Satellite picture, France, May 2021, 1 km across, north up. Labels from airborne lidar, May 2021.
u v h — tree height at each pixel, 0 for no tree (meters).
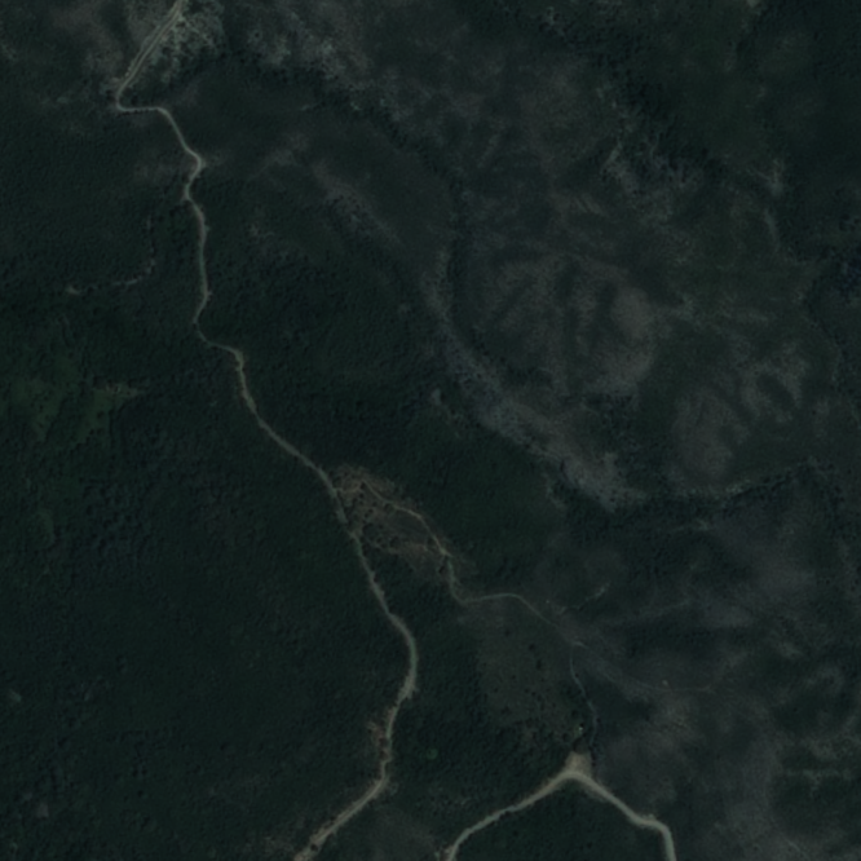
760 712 0
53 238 9
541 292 0
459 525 6
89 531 7
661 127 9
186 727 8
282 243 8
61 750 6
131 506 13
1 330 10
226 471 11
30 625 12
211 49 20
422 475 8
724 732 0
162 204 14
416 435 6
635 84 15
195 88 0
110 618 6
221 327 18
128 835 8
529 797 7
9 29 9
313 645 6
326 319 18
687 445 0
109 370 8
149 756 12
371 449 15
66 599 10
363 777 14
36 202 7
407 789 6
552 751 8
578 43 14
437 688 7
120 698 7
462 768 12
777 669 7
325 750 7
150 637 6
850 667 7
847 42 9
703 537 6
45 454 9
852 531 7
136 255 7
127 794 6
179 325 6
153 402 8
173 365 11
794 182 8
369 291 8
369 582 15
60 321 6
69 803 12
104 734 6
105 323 9
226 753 14
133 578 15
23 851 7
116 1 0
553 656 0
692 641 10
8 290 10
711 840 0
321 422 13
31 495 8
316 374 10
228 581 8
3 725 9
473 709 18
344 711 7
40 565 8
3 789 10
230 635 8
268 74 9
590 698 10
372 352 8
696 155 15
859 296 16
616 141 9
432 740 13
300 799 6
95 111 6
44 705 5
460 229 11
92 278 6
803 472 15
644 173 10
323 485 8
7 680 11
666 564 13
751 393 0
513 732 9
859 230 22
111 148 9
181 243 7
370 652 9
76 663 9
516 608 0
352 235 14
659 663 0
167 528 8
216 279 18
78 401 8
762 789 0
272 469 10
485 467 7
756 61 6
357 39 0
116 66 0
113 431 8
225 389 7
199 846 8
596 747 10
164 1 0
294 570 7
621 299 0
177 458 14
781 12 9
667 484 6
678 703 0
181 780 6
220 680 9
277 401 12
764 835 0
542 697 10
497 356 6
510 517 6
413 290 15
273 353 11
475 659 9
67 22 0
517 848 6
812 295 9
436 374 17
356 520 10
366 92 8
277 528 7
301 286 15
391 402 14
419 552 0
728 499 7
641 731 0
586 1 8
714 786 0
